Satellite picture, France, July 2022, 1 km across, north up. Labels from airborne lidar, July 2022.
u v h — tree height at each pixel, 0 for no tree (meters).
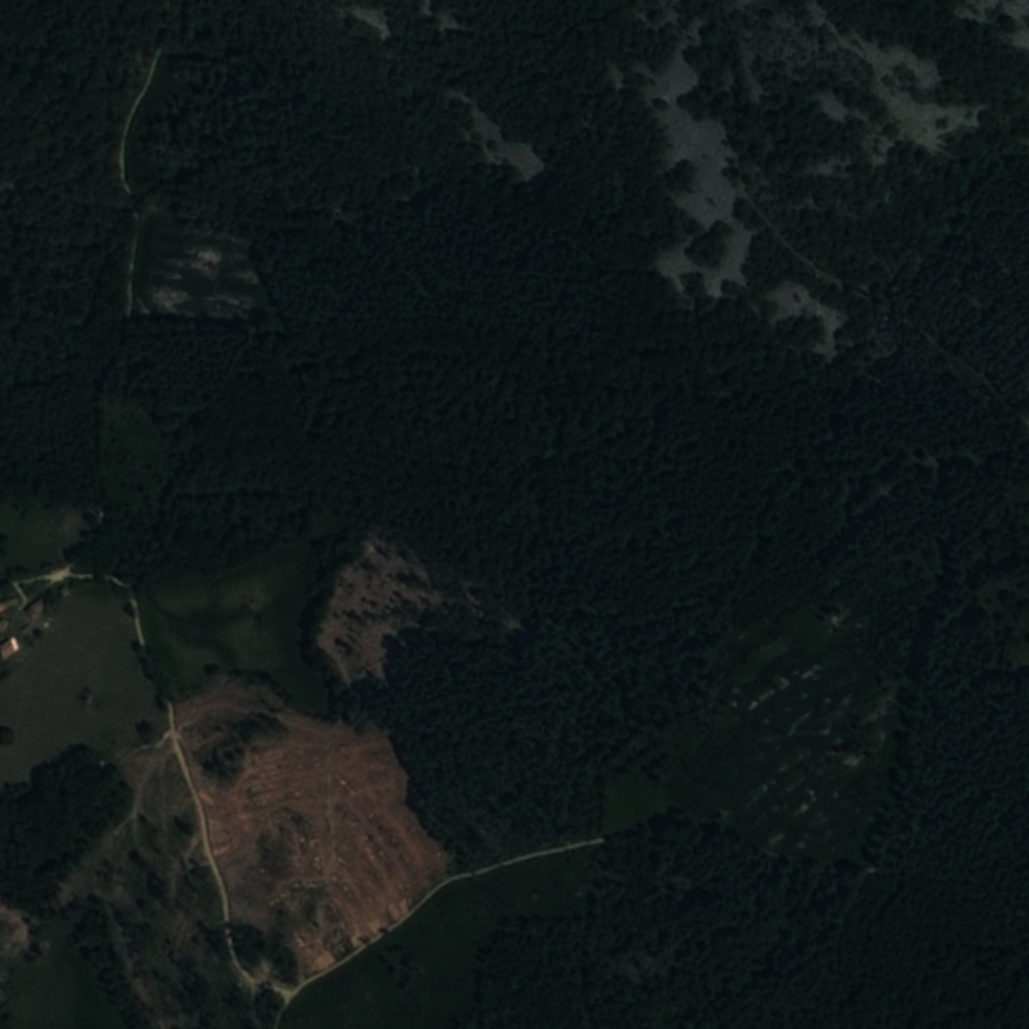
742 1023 18
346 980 0
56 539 0
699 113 11
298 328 31
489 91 20
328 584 18
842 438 38
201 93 26
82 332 19
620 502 27
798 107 16
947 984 21
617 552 26
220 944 30
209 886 29
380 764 0
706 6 11
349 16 13
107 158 25
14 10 13
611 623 21
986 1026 21
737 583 12
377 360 17
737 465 28
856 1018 18
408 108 15
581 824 16
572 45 17
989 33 9
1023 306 23
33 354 17
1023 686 35
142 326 23
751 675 0
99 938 28
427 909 0
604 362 22
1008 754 35
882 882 13
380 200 20
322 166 25
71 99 28
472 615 22
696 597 25
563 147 18
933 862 32
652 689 7
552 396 24
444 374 16
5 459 14
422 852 0
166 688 19
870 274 10
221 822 0
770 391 19
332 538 7
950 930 24
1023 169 23
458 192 24
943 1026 16
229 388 26
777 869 20
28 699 0
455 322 32
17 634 0
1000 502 33
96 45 20
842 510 8
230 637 0
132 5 17
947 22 9
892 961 22
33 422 23
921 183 7
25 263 20
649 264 17
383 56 9
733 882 33
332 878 0
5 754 0
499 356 19
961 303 23
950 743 35
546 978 19
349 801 0
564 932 14
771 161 10
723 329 22
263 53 6
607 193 15
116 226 21
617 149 17
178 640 0
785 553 14
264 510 14
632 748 16
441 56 21
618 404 21
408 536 22
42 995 0
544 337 14
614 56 15
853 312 15
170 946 0
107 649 0
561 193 28
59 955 0
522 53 18
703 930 34
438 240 20
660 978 13
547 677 41
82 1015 0
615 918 21
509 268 37
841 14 12
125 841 0
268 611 0
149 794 0
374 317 28
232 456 24
